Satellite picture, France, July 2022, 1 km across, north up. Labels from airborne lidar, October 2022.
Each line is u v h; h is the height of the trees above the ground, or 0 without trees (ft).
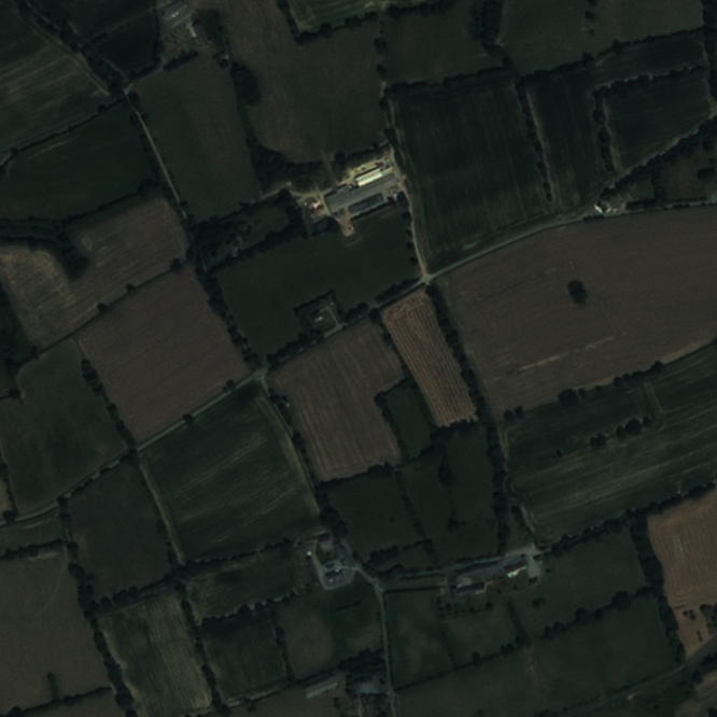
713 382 0
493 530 0
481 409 51
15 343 0
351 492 0
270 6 0
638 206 26
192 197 0
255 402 0
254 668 0
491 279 0
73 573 47
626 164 0
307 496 0
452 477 62
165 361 0
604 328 0
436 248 0
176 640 0
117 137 0
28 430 0
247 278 0
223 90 0
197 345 0
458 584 0
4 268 0
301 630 0
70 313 0
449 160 0
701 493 43
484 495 0
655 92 0
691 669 0
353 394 0
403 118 0
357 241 0
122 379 0
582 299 78
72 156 0
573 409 0
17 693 0
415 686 18
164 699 0
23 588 0
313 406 0
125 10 0
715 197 0
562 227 0
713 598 0
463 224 0
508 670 0
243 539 0
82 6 0
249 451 0
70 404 0
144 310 0
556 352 0
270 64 0
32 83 0
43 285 0
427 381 0
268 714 0
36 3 38
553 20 0
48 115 0
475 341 0
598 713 0
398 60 0
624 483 0
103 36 24
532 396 0
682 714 0
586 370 0
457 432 58
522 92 39
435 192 0
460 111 0
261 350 0
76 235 0
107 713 0
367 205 0
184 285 0
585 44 0
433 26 0
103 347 0
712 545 0
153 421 0
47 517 0
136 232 0
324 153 0
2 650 0
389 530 0
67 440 0
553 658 0
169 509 0
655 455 0
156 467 0
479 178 0
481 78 19
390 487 0
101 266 0
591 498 0
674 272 0
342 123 0
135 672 0
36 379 0
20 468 0
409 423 0
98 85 0
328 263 0
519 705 0
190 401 0
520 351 0
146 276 0
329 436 0
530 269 0
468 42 0
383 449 0
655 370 32
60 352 0
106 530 0
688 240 0
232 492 0
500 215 0
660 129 0
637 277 0
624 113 0
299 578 0
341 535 56
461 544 0
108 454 0
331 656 0
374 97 0
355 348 0
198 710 0
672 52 0
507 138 0
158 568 0
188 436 0
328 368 0
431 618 0
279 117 0
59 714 0
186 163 0
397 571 33
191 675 0
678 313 0
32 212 0
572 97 0
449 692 0
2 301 54
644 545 73
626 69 0
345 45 0
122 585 0
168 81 0
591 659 0
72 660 0
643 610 0
